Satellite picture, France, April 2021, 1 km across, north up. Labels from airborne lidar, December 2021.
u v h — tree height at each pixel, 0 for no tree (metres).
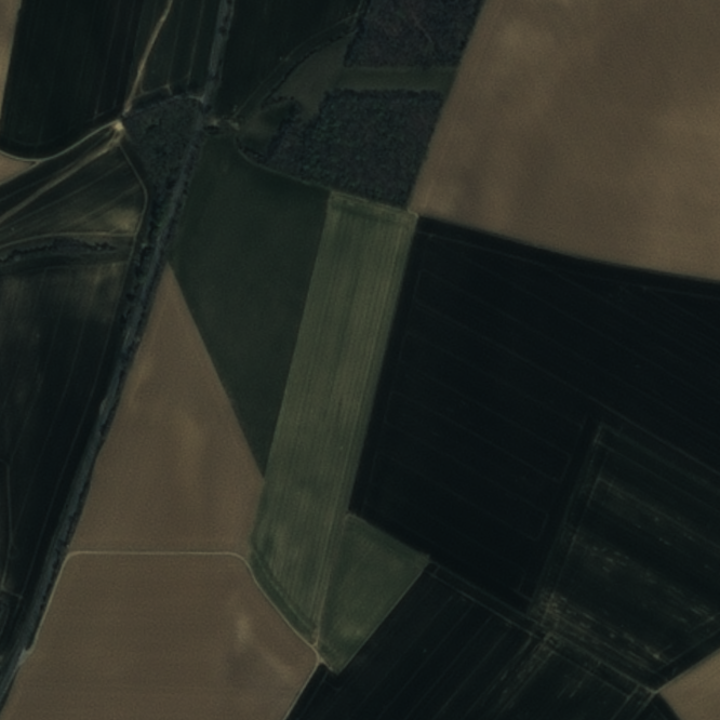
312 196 0
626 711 0
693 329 0
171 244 13
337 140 19
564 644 0
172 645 0
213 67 0
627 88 0
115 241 0
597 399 0
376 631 0
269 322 0
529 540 0
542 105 0
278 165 13
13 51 0
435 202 0
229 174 0
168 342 0
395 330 0
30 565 0
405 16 20
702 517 0
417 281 0
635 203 0
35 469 0
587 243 0
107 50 0
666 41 0
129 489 0
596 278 0
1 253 0
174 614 0
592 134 0
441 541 0
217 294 0
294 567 0
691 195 0
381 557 0
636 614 0
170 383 0
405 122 19
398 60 19
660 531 0
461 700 0
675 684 0
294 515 0
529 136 0
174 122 24
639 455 0
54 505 0
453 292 0
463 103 0
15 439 0
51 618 0
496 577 0
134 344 6
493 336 0
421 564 0
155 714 0
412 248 0
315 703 0
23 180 0
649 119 0
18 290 0
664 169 0
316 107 0
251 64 0
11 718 0
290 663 0
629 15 0
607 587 0
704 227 0
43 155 0
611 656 0
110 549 0
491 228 0
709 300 0
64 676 0
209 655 0
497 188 0
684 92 0
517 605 0
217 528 0
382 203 13
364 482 0
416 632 0
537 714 0
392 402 0
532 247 0
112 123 0
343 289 0
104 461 0
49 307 0
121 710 0
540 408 0
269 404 0
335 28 0
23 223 0
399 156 21
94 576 0
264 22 0
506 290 0
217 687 0
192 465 0
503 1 0
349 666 0
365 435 0
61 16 0
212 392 0
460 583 0
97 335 0
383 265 0
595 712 0
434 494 0
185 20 0
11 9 0
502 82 0
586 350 0
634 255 0
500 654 0
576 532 0
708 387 0
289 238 0
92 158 0
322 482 0
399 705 0
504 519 0
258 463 0
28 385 0
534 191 0
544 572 0
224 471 0
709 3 0
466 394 0
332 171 21
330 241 0
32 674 0
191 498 0
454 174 0
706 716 0
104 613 0
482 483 0
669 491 0
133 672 0
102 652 0
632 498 0
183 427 0
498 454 0
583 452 0
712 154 0
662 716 0
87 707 0
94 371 0
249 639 0
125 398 0
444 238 0
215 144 0
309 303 0
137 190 0
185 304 0
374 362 0
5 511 0
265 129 0
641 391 0
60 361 0
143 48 0
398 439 0
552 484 0
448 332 0
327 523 0
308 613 0
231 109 0
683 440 0
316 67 0
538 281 0
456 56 14
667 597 0
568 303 0
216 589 0
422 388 0
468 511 0
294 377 0
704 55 0
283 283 0
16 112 0
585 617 0
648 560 0
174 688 0
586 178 0
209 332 0
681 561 0
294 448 0
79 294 0
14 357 0
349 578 0
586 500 0
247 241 0
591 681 0
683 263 0
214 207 0
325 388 0
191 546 0
